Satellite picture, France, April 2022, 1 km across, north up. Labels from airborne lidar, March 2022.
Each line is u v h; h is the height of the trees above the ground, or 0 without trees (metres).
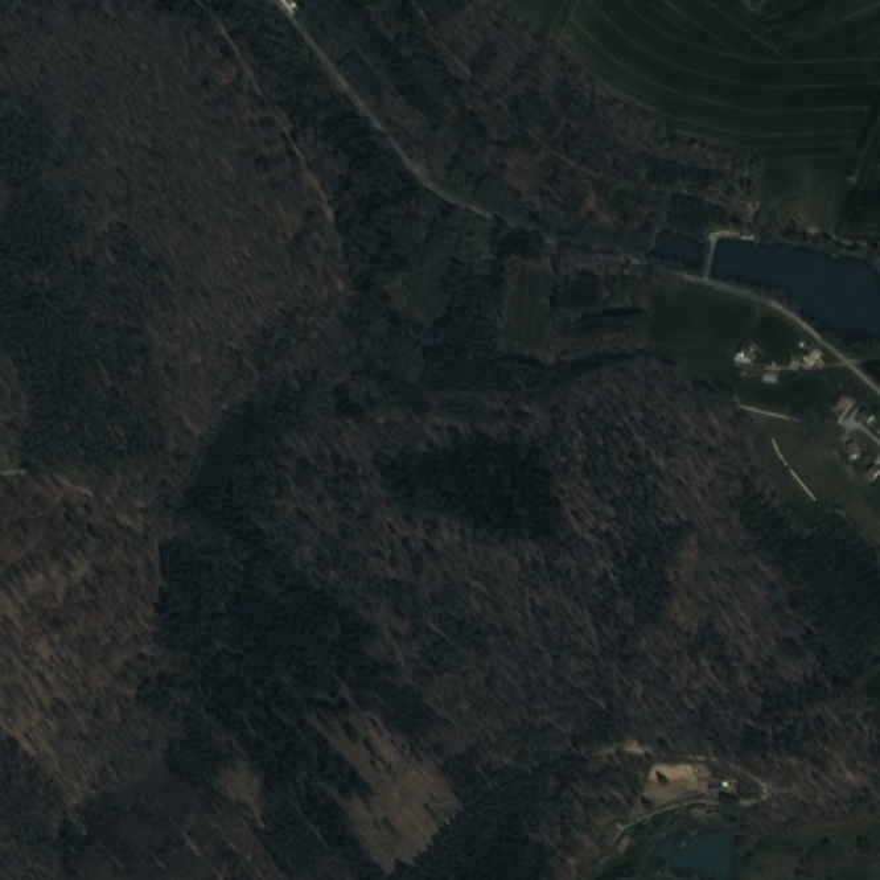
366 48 11
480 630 23
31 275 25
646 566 35
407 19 7
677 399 22
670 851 0
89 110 20
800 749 31
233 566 31
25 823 30
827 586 7
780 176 0
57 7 17
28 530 6
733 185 19
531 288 0
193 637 25
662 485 28
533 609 25
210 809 12
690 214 17
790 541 7
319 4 20
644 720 31
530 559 26
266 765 26
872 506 0
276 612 30
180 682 7
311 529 21
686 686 28
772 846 0
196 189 26
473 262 10
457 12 27
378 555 24
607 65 0
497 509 27
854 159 0
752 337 0
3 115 20
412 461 28
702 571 0
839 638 6
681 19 0
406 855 0
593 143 27
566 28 0
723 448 26
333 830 34
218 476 18
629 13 0
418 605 22
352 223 26
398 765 0
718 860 0
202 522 24
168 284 26
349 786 34
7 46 21
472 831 26
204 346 20
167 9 12
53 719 28
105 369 27
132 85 23
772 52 0
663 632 32
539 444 22
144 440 30
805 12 0
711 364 0
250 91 23
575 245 20
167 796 9
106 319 26
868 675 16
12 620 0
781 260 0
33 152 22
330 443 29
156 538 24
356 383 8
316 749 31
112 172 23
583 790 27
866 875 0
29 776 27
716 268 0
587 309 17
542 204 0
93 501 0
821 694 27
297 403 20
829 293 0
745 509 7
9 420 22
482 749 18
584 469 31
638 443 27
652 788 0
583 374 13
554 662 24
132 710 27
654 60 0
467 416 34
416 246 28
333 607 25
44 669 28
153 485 24
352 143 18
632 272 10
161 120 22
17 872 26
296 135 8
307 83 8
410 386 23
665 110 0
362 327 25
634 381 24
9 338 27
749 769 22
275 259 26
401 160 26
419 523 24
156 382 30
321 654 25
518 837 29
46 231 27
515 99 29
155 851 8
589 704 11
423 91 27
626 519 30
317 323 22
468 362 25
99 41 23
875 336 0
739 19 0
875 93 0
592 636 26
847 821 10
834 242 16
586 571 33
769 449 0
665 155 19
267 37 16
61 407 27
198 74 27
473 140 6
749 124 0
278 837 16
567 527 26
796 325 0
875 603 6
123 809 9
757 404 0
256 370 24
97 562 26
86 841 8
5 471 0
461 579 25
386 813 0
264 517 24
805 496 0
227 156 26
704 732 31
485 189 20
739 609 25
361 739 26
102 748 27
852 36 0
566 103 23
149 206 21
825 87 0
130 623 25
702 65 0
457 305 23
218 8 22
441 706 24
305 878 14
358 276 26
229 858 9
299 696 20
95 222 22
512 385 17
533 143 8
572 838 25
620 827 0
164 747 23
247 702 29
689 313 0
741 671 24
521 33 20
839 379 0
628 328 9
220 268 23
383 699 17
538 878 18
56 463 32
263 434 19
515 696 22
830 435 0
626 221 11
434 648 22
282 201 29
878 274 0
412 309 6
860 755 26
